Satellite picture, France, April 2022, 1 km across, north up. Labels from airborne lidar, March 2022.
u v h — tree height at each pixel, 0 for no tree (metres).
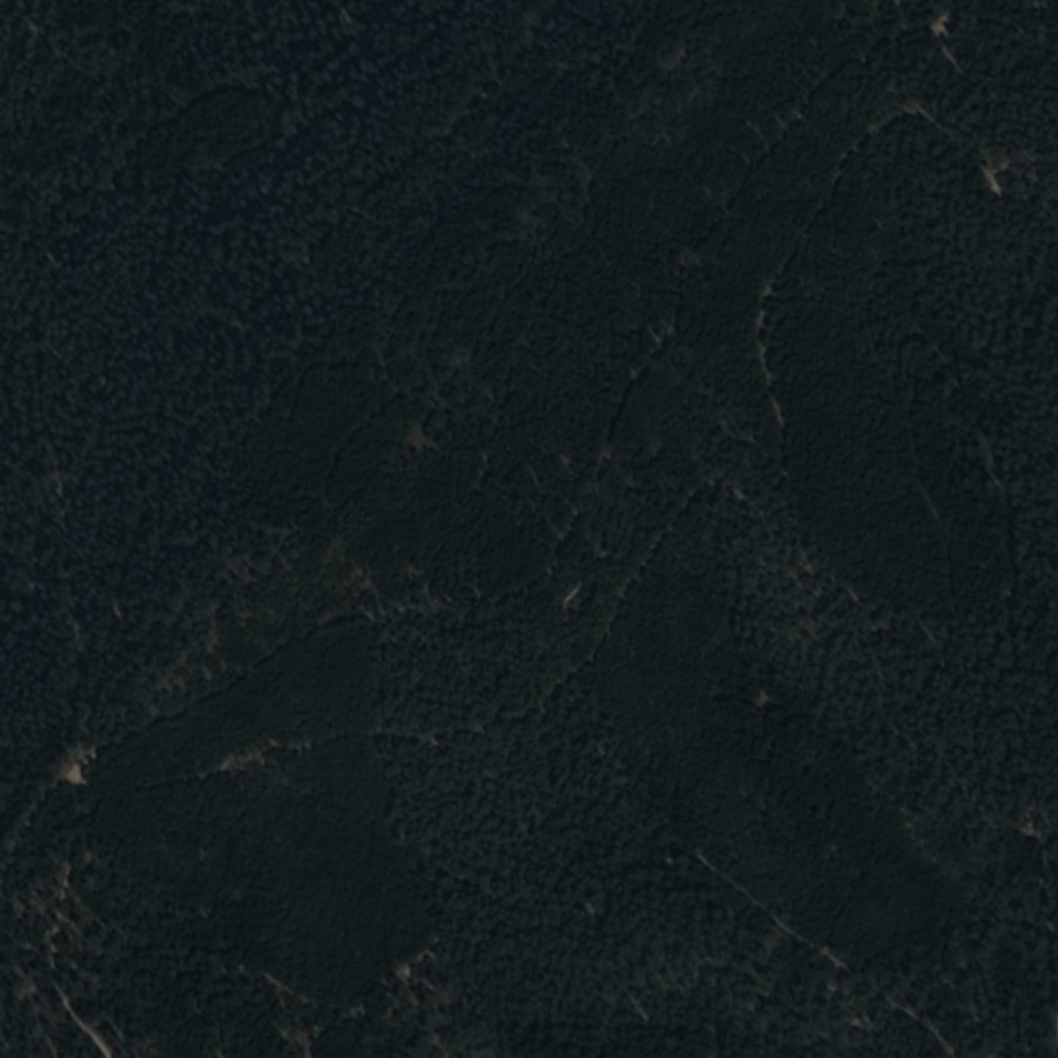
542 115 11
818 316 22
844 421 19
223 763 14
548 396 21
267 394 19
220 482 9
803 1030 26
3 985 8
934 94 15
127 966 13
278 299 19
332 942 18
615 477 17
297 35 10
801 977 7
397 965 17
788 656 31
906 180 10
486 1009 28
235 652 8
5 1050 16
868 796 6
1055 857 27
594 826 35
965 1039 32
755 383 17
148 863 18
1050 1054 17
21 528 23
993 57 22
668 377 21
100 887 9
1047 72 22
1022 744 35
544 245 18
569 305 24
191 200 8
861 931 7
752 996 28
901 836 7
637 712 18
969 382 34
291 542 10
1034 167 10
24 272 27
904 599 21
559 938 28
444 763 30
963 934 10
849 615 14
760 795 18
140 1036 15
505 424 21
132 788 11
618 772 25
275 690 13
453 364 17
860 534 14
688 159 14
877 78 22
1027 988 12
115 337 25
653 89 12
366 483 12
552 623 23
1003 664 38
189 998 21
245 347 11
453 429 12
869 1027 23
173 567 25
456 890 21
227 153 8
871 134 20
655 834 36
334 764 18
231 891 20
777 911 16
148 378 26
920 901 13
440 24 11
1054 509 18
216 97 14
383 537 13
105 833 24
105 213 26
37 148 13
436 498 13
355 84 15
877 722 31
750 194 22
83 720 28
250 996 26
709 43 16
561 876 29
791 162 19
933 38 20
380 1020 9
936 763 26
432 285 17
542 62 8
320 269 8
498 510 18
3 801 16
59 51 28
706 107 14
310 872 13
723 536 13
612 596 27
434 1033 28
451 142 7
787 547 21
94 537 29
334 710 17
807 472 20
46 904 29
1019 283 33
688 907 25
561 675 25
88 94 8
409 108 30
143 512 22
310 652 20
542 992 29
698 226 13
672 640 22
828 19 13
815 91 18
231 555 14
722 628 19
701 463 17
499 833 24
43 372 6
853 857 16
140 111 23
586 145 14
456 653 17
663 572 20
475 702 30
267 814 17
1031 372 34
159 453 24
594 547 12
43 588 27
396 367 19
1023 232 30
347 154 29
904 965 9
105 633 25
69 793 15
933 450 23
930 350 31
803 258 22
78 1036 13
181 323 27
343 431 13
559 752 9
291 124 31
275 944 15
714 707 20
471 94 30
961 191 21
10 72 19
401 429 12
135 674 18
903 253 25
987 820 28
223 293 7
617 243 16
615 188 13
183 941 17
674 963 25
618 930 29
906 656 27
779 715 26
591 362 22
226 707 19
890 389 27
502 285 15
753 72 16
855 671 12
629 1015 15
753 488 23
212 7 12
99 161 28
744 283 21
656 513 28
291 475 16
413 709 23
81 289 29
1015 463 36
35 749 26
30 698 26
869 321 22
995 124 24
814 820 18
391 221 8
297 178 31
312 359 14
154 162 10
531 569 15
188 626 15
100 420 25
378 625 11
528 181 14
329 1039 12
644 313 17
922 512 21
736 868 16
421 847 14
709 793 21
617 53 23
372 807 14
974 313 34
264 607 9
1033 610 10
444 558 9
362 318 15
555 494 14
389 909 18
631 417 21
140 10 17
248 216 8
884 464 18
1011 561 12
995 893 31
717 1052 27
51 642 25
